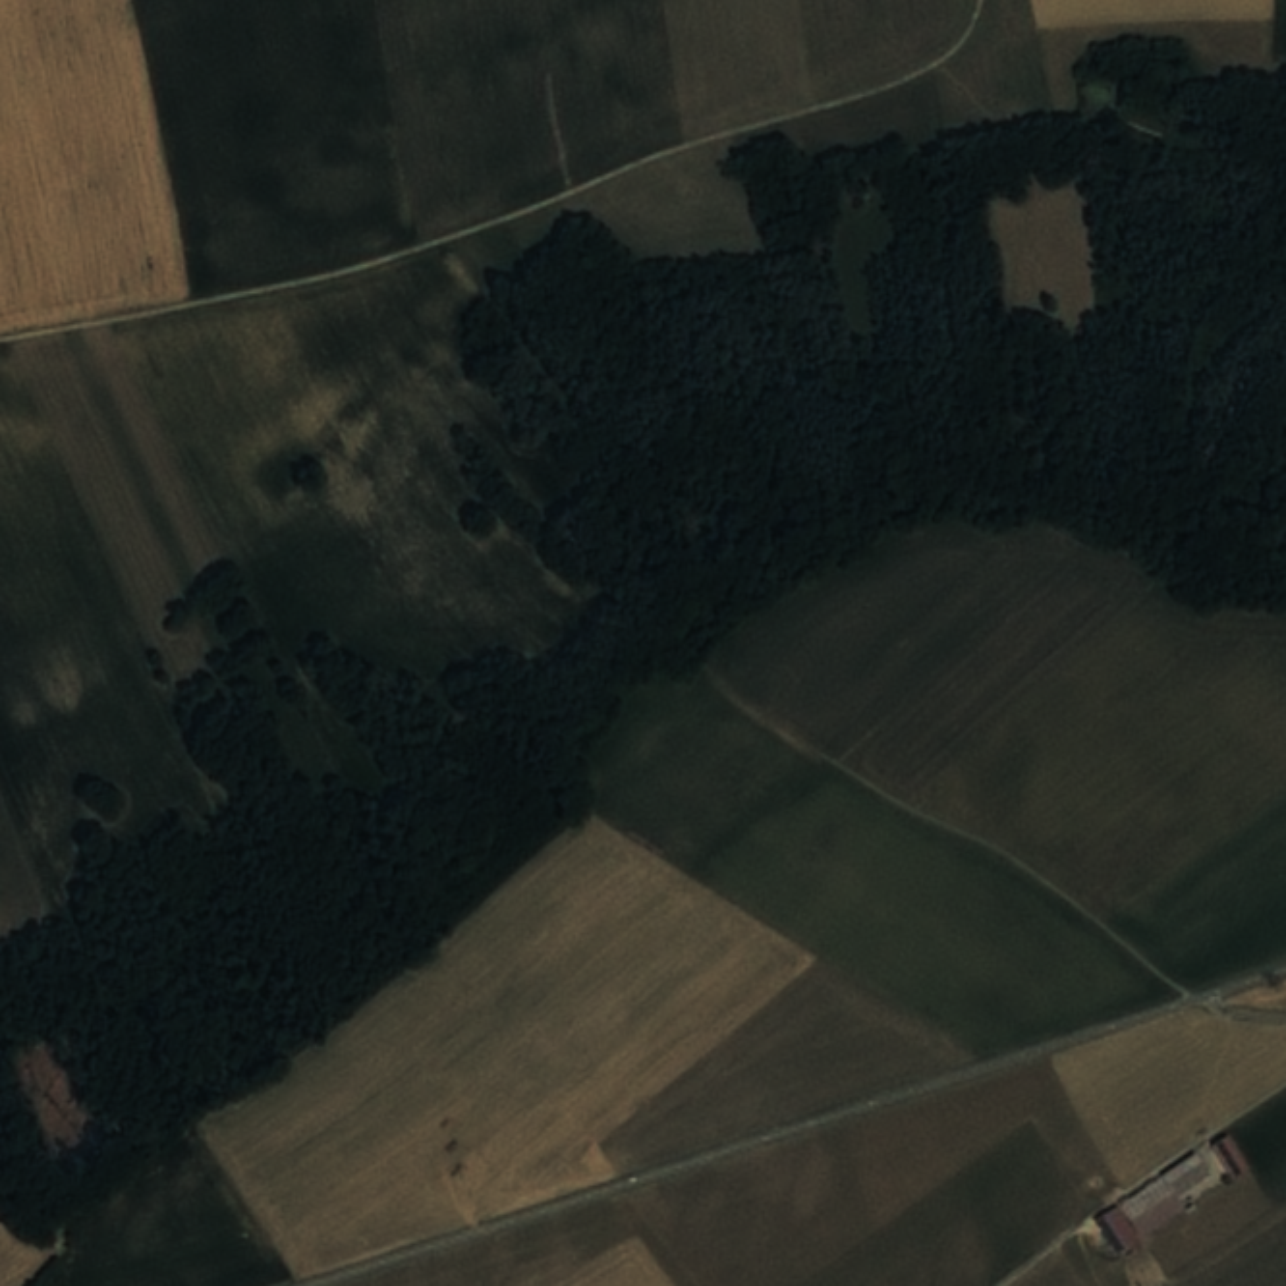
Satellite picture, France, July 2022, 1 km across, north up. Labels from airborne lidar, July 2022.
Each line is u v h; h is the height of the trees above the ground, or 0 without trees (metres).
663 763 0
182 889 12
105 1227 0
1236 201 14
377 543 0
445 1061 0
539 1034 0
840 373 24
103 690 0
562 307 26
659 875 0
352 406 0
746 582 29
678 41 0
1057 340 19
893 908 0
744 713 0
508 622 0
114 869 25
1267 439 25
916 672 0
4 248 0
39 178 0
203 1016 29
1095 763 0
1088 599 0
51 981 23
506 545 0
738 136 0
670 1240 0
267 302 0
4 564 0
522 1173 0
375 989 6
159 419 0
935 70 0
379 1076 0
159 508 0
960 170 22
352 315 0
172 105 0
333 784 13
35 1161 31
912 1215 0
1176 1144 0
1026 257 0
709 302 20
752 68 0
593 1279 0
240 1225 0
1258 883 0
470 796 21
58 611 0
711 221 0
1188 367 28
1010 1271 0
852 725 0
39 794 0
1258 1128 0
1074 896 0
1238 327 11
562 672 25
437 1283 0
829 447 27
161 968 22
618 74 0
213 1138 0
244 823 10
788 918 0
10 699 0
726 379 23
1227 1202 0
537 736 27
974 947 0
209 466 0
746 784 0
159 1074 20
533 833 7
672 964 0
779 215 10
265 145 0
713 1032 0
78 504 0
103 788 19
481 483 12
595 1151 0
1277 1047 0
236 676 14
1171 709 0
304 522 0
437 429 0
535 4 0
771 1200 0
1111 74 10
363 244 0
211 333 0
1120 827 0
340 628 0
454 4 0
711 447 23
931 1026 0
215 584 21
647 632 33
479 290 0
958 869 0
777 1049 0
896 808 0
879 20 0
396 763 26
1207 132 16
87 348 0
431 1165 0
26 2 0
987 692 0
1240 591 21
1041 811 0
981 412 18
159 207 0
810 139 0
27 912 0
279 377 0
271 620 0
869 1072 0
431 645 0
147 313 0
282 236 0
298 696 21
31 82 0
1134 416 23
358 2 0
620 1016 0
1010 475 29
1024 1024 0
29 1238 21
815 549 26
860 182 19
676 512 24
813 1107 0
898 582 0
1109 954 0
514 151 0
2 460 0
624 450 20
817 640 0
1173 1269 0
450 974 0
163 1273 0
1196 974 0
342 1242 0
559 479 0
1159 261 16
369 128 0
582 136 0
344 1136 0
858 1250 0
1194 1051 0
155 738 0
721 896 0
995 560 0
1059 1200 0
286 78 0
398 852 29
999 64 0
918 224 17
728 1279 0
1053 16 0
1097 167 18
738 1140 0
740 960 0
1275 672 0
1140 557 18
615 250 23
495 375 20
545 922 0
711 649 14
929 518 23
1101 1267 0
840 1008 0
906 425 24
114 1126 13
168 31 0
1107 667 0
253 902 16
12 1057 27
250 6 0
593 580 17
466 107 0
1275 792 0
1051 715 0
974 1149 0
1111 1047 0
